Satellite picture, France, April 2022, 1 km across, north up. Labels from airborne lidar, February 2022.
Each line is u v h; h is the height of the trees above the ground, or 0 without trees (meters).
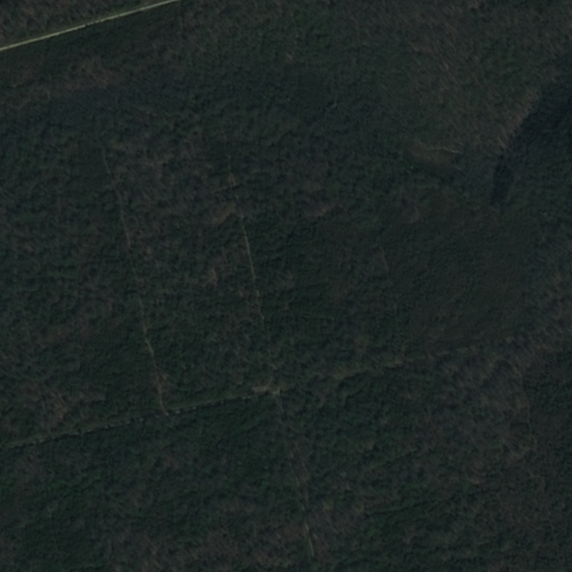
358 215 27
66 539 13
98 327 24
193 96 24
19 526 26
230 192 10
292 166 28
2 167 23
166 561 26
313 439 25
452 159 0
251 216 28
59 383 24
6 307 23
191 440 24
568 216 24
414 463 25
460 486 20
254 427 24
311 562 22
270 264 12
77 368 23
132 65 25
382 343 28
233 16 23
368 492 27
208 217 28
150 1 24
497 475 10
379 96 22
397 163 28
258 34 25
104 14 22
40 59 10
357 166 25
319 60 23
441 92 28
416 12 25
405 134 21
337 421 25
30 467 16
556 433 10
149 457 28
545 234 14
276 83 26
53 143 30
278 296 24
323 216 27
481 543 28
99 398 26
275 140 21
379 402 10
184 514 22
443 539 28
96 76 17
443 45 25
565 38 28
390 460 28
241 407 13
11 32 27
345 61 23
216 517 27
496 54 24
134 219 24
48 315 26
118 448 13
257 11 27
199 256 23
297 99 19
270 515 24
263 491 23
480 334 13
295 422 24
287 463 18
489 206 22
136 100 27
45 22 27
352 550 26
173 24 7
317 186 29
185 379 24
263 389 0
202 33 22
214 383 25
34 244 26
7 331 24
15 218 25
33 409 25
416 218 27
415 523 7
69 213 21
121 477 26
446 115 23
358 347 26
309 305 16
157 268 20
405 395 29
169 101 28
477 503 26
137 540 24
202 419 22
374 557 21
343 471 27
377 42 22
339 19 26
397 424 14
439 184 21
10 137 23
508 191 20
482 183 23
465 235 7
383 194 21
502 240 9
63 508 19
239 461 25
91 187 11
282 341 24
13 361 26
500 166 22
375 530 27
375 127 23
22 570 21
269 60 21
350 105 24
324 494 21
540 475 10
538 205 24
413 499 26
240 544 12
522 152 20
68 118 25
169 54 28
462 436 28
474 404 28
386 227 14
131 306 22
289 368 23
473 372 30
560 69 22
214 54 21
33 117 9
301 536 11
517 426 11
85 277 9
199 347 8
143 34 9
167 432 22
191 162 12
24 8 27
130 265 0
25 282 25
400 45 24
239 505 25
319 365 27
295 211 26
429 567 14
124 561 25
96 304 28
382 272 24
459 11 25
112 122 25
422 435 23
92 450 24
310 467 22
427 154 0
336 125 25
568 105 16
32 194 25
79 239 9
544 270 25
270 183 25
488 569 28
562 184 24
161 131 24
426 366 10
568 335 29
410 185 24
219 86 26
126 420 23
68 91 21
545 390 10
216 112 28
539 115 17
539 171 19
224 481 27
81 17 25
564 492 12
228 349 25
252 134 22
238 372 26
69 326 24
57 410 26
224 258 25
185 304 21
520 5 11
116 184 24
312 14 26
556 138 19
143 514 14
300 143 28
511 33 26
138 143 28
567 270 24
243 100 30
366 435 26
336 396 11
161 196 27
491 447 27
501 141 26
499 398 30
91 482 24
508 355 28
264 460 26
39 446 13
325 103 19
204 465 11
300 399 23
